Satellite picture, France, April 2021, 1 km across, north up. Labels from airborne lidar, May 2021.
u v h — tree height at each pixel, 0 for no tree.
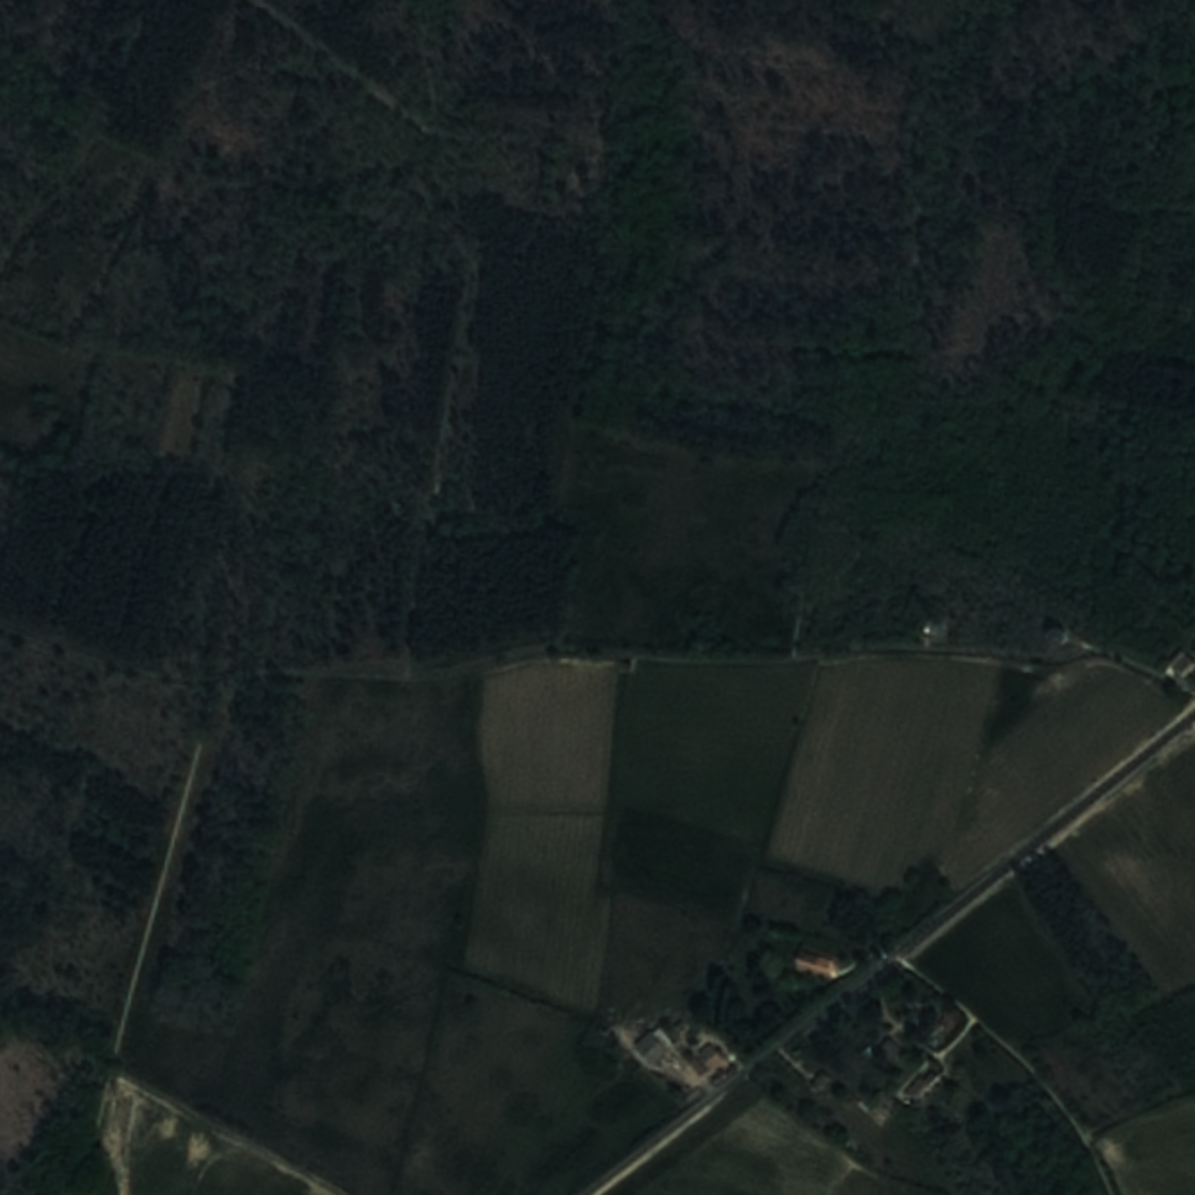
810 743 0
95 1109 18
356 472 15
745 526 0
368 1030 0
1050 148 14
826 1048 15
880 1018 13
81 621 17
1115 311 11
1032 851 0
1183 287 14
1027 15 20
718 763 0
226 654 19
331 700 0
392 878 0
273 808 19
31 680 7
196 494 18
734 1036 17
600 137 9
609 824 0
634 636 0
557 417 18
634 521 0
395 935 0
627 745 0
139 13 17
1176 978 0
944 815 0
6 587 18
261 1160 0
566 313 19
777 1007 11
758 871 0
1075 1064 0
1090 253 16
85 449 17
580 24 23
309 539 20
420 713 0
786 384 16
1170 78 22
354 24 12
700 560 0
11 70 19
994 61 23
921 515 14
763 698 0
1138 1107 11
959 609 10
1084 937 20
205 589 14
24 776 15
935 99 11
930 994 7
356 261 14
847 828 0
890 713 0
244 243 6
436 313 15
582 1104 0
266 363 18
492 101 15
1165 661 10
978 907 0
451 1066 0
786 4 25
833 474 7
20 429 0
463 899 0
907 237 13
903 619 6
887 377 15
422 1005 0
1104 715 0
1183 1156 0
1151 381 16
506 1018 0
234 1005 17
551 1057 0
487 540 19
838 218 14
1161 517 15
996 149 21
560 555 17
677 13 23
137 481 20
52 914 19
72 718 13
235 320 14
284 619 11
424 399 15
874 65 21
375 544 18
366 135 10
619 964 0
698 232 18
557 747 0
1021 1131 19
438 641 17
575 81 24
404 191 21
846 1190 0
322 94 14
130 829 9
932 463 19
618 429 14
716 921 0
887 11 12
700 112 19
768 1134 0
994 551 15
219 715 18
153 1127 0
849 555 12
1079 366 13
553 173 17
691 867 0
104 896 9
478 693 0
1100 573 15
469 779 0
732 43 20
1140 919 0
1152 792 0
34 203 17
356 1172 0
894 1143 0
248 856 22
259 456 17
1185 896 0
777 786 0
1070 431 16
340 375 20
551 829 0
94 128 15
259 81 7
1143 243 13
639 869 0
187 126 10
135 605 16
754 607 0
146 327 11
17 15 22
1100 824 0
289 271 12
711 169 20
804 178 12
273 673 12
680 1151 0
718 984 16
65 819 11
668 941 0
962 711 0
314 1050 0
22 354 0
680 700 0
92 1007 8
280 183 7
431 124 10
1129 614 15
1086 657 6
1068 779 0
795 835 0
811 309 13
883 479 12
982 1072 0
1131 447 15
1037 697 0
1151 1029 7
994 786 0
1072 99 17
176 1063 0
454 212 17
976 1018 0
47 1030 20
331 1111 0
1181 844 0
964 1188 7
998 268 0
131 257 13
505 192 6
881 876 0
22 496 21
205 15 16
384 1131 0
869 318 17
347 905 0
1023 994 0
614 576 0
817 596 14
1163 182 15
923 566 10
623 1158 0
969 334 0
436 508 11
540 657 0
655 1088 0
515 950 0
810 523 12
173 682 11
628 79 19
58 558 18
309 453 18
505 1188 0
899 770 0
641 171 25
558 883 0
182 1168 0
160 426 12
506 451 15
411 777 0
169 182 10
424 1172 0
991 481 19
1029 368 14
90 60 8
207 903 22
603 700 0
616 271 20
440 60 11
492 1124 0
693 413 20
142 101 18
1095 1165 16
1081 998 0
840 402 14
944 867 0
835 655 12
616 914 0
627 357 13
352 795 0
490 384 14
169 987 24
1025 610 7
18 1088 0
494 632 15
